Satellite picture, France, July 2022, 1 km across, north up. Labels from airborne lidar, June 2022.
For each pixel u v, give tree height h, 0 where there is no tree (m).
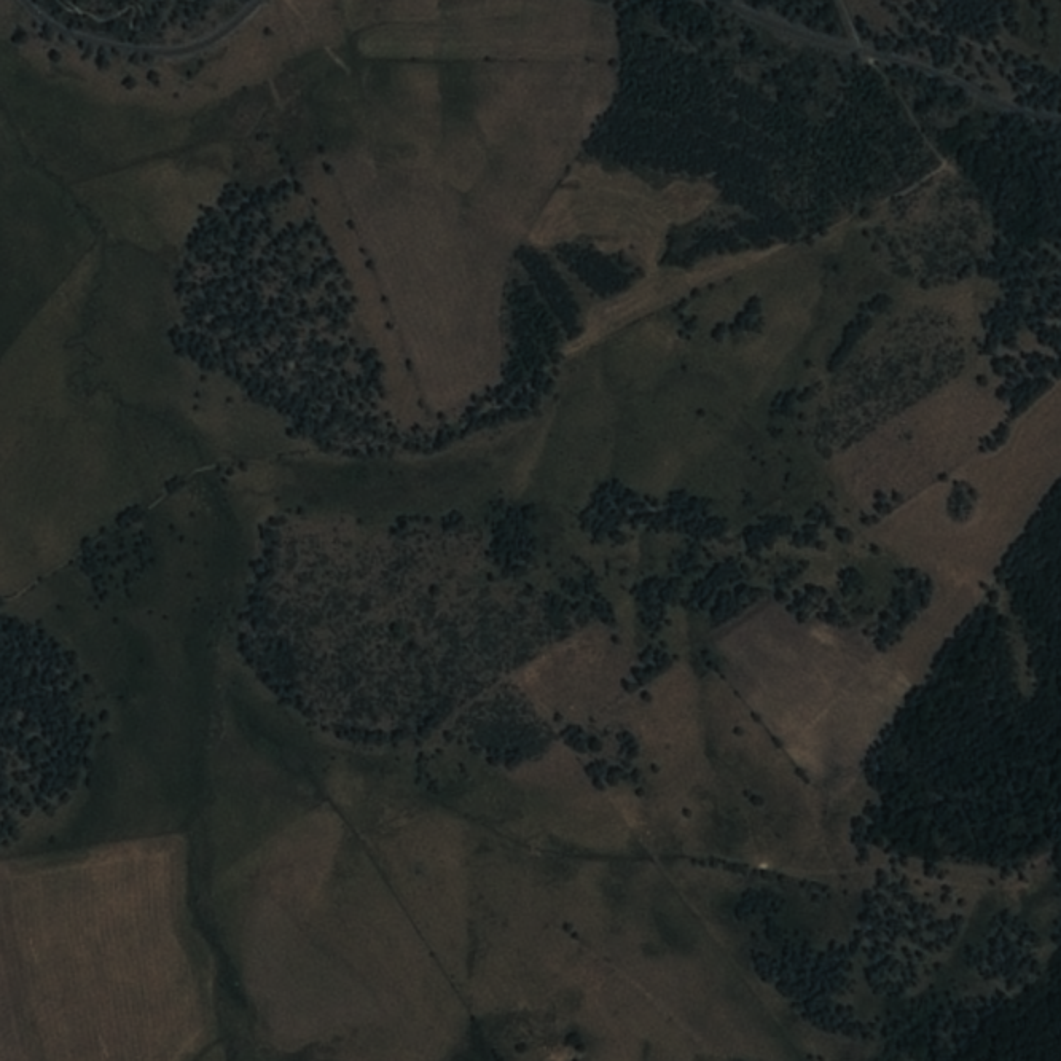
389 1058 0
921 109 13
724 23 7
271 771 0
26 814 8
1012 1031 8
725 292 0
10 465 0
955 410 0
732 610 12
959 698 7
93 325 0
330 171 13
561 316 7
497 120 0
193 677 0
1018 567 9
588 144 7
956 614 0
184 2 7
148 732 0
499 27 0
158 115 0
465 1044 0
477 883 0
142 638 0
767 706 0
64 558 0
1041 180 13
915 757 8
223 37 0
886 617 15
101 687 0
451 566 0
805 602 19
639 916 0
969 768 10
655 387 0
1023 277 9
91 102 0
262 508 0
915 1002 11
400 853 0
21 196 0
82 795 0
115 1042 0
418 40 0
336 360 7
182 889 0
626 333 0
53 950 0
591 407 0
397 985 0
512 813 0
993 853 13
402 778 0
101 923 0
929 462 0
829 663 0
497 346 0
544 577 0
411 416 0
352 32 0
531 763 0
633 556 0
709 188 0
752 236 7
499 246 0
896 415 0
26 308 0
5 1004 0
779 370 0
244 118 0
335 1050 0
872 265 0
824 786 0
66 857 0
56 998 0
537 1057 0
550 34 0
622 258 7
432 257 0
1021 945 12
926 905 9
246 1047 0
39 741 14
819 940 0
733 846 0
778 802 0
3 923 0
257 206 13
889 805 15
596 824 0
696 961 0
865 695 0
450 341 0
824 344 0
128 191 0
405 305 0
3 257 0
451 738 9
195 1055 0
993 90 13
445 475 0
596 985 0
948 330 0
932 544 0
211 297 12
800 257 0
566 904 0
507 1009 0
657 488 0
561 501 0
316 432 10
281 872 0
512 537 9
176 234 0
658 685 0
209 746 0
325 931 0
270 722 0
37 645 12
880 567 0
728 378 0
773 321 0
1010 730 15
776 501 0
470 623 0
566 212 0
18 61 0
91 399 0
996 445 13
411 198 0
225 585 0
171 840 0
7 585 0
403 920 0
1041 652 11
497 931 0
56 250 0
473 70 0
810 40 0
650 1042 0
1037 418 0
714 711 0
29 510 0
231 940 0
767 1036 0
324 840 0
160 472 0
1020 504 0
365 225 0
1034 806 20
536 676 0
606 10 0
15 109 0
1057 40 0
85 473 0
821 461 0
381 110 0
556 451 0
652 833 0
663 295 0
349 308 13
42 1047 0
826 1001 11
